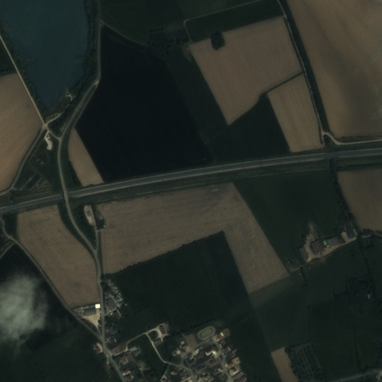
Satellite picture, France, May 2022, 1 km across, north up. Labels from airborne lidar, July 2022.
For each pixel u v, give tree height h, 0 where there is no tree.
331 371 0
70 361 0
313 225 0
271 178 0
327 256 0
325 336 0
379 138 0
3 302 0
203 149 0
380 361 20
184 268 0
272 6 0
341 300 0
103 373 0
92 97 0
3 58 0
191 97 0
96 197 0
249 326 0
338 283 0
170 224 0
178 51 0
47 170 0
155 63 0
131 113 0
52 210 0
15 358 0
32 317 0
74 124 0
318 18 0
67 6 0
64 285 0
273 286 0
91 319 0
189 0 0
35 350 0
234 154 0
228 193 0
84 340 0
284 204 0
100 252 0
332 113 0
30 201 0
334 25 0
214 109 0
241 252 0
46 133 0
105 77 0
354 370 0
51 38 0
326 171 0
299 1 0
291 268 0
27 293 0
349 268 0
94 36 10
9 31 0
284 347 0
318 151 0
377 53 0
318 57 0
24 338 0
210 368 0
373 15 0
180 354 0
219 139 0
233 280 0
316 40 0
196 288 0
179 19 0
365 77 0
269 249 0
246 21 0
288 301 0
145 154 0
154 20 0
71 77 0
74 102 11
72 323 0
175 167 0
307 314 0
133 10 0
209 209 0
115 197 0
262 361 0
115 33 0
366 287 13
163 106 0
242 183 0
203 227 0
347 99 0
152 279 0
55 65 0
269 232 0
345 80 0
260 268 0
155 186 0
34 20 0
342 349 0
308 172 0
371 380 14
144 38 0
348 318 0
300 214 0
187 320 0
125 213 0
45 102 0
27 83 12
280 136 0
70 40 0
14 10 0
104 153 0
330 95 0
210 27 0
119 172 0
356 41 0
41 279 0
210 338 0
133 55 0
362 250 11
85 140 0
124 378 0
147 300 0
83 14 0
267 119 0
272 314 0
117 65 0
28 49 0
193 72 0
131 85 0
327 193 0
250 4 0
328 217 0
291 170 0
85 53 0
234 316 0
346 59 0
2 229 0
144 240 0
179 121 0
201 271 0
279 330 0
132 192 0
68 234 0
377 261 0
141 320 0
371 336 0
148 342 0
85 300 0
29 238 0
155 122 0
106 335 0
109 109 0
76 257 0
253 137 0
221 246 0
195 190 0
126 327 0
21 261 0
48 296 0
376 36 0
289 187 0
